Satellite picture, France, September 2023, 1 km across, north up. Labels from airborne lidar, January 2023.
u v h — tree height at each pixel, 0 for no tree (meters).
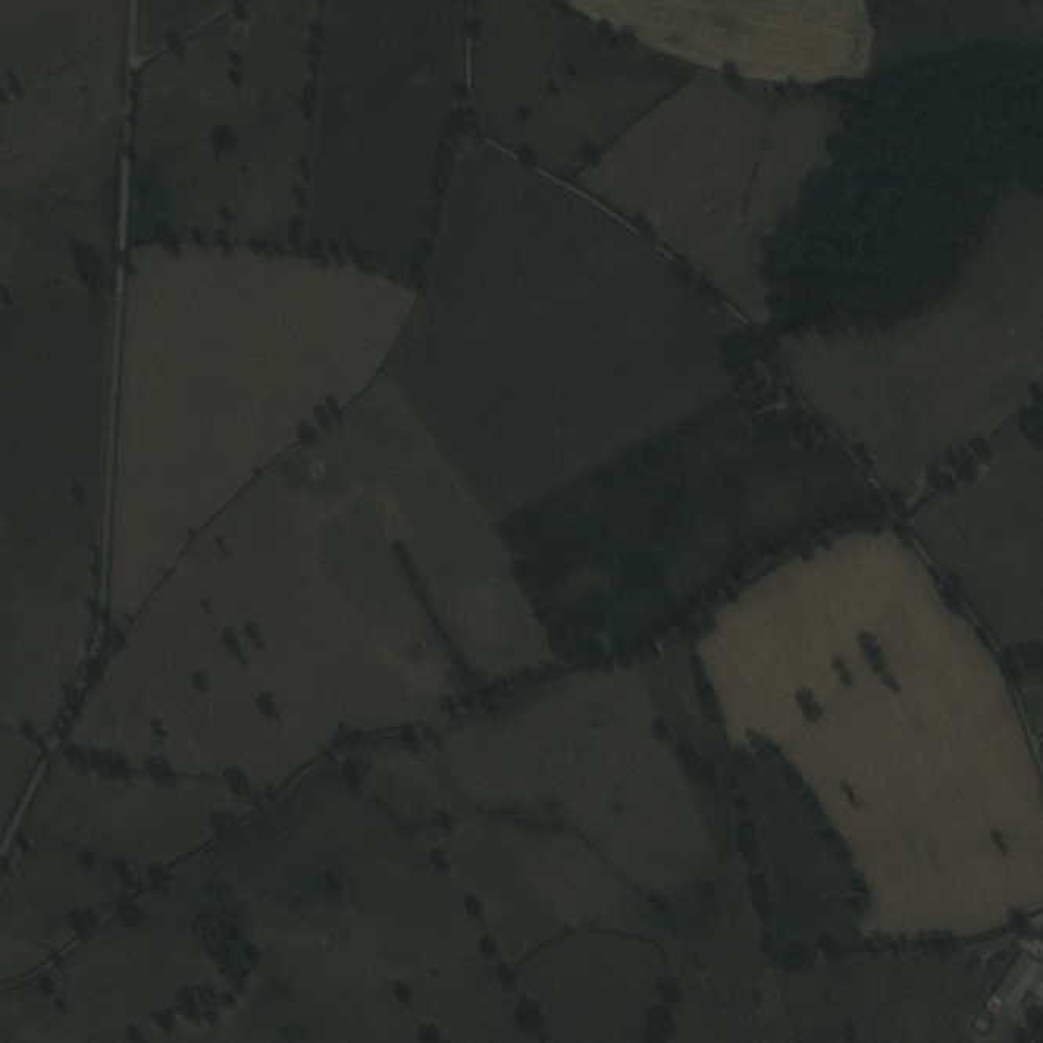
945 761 0
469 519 0
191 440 0
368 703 0
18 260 0
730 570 0
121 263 13
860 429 0
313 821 0
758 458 0
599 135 0
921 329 0
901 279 21
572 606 0
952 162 23
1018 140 20
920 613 0
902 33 0
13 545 0
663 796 0
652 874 0
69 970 0
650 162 0
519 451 0
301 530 0
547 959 0
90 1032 0
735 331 0
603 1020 0
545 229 0
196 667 0
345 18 0
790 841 0
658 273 0
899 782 0
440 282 0
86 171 0
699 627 18
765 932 0
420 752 0
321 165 0
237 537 0
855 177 22
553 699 0
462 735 0
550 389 0
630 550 0
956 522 0
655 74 0
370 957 0
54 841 0
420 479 0
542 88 0
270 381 0
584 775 0
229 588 0
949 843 0
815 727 0
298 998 0
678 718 0
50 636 0
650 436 0
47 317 0
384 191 0
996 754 0
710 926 0
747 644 0
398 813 0
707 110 0
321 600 0
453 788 0
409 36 0
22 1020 0
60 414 0
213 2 0
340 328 0
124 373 0
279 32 0
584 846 0
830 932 0
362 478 0
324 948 0
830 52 0
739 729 0
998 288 0
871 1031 0
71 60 0
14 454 0
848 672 16
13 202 0
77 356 0
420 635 0
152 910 0
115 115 0
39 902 0
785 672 0
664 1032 17
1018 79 17
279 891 0
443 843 0
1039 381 0
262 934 0
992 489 0
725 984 0
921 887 0
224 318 0
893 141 17
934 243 19
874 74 0
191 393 0
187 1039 0
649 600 0
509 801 0
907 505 17
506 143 0
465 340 0
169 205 0
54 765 0
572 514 0
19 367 0
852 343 0
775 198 0
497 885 0
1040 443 15
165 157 0
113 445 0
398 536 0
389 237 0
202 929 10
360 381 0
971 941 0
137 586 0
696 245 0
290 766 0
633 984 0
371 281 0
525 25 0
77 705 9
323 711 0
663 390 0
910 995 0
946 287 16
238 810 0
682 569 0
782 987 0
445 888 0
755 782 0
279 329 0
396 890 0
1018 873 0
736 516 0
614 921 0
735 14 0
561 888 0
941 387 0
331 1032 0
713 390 0
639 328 0
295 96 0
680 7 0
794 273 16
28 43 0
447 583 0
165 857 0
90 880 0
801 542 14
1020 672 18
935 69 15
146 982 0
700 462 0
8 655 0
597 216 0
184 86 0
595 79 0
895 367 0
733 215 0
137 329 0
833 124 0
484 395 0
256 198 0
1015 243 0
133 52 0
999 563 0
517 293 0
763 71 0
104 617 11
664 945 0
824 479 0
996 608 0
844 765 0
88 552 0
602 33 10
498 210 0
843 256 21
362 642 0
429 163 0
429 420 0
